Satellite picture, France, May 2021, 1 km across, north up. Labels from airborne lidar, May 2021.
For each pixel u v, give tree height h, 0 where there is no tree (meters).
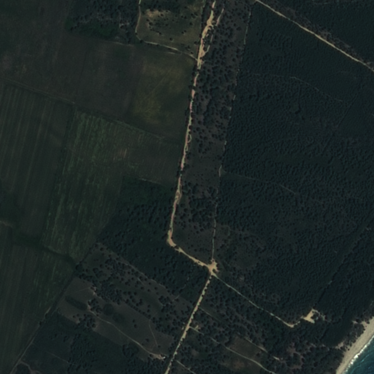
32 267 0
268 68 11
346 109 8
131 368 12
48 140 0
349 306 15
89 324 12
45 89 0
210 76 15
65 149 0
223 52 9
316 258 9
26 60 0
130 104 0
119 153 0
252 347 0
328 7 7
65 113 0
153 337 0
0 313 0
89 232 0
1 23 0
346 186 11
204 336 13
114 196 0
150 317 12
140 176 0
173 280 11
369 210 9
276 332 15
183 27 0
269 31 8
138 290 0
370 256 16
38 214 0
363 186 11
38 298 0
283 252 12
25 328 0
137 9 11
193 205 11
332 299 15
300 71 9
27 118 0
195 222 15
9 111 0
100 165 0
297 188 12
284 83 9
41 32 0
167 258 13
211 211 14
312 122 17
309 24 9
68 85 0
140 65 0
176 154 0
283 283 8
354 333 8
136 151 0
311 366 19
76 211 0
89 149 0
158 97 0
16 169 0
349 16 10
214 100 16
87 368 10
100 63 0
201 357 0
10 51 0
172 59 0
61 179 0
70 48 0
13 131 0
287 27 10
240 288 9
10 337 0
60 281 0
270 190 12
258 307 8
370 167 10
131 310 0
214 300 15
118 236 11
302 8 11
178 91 0
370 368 0
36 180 0
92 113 0
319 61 8
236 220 13
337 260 12
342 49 9
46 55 0
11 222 0
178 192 0
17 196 0
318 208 12
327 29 16
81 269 14
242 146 13
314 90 8
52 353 0
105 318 0
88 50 0
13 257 0
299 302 12
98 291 11
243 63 13
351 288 16
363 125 6
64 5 0
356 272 14
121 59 0
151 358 9
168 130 0
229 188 12
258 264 13
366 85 10
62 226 0
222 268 7
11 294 0
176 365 17
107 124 0
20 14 0
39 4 0
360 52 11
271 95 15
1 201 0
